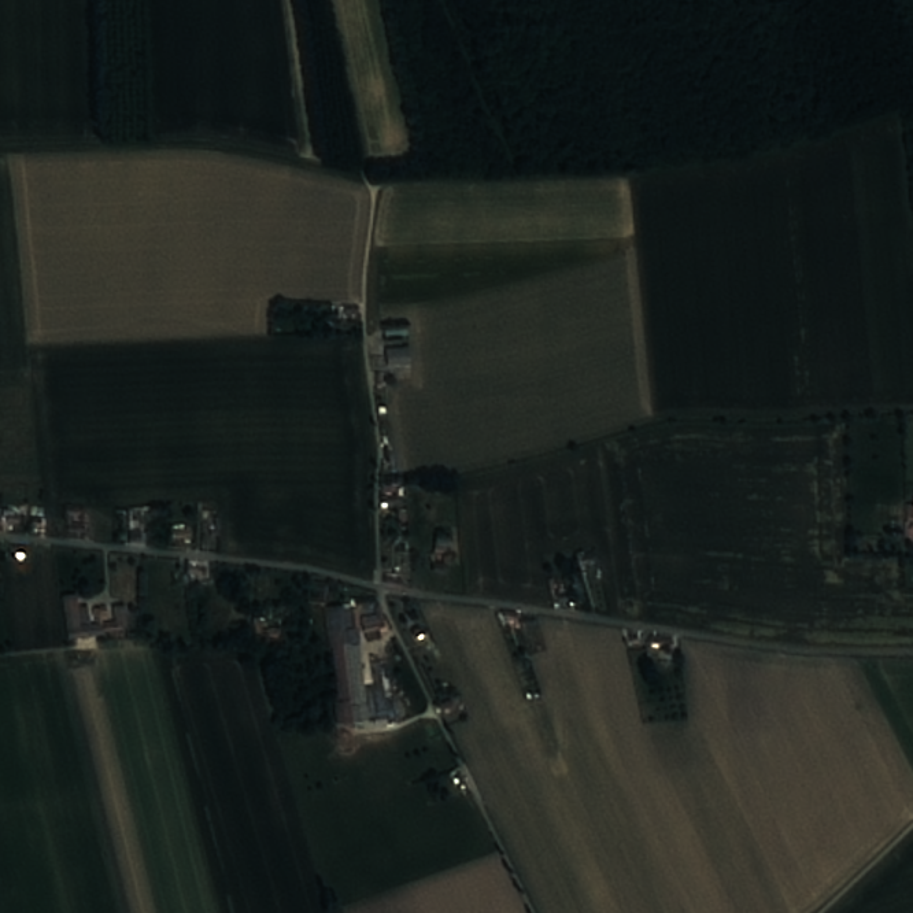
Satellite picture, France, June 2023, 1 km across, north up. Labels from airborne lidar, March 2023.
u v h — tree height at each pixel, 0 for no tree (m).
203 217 0
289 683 14
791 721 0
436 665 0
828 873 0
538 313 0
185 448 0
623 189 0
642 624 0
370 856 0
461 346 0
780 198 0
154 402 0
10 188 0
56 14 0
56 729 0
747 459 0
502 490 0
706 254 0
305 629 14
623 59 23
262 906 0
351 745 0
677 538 0
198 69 0
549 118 25
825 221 0
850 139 0
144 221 0
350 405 0
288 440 0
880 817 0
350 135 31
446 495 0
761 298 0
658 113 22
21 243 0
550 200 0
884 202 0
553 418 0
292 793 0
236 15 0
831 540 0
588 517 0
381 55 0
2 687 0
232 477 0
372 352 0
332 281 0
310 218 0
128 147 0
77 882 0
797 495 0
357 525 0
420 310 0
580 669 0
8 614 0
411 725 0
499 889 0
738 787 0
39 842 0
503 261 0
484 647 0
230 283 0
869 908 0
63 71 0
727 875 0
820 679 0
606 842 0
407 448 0
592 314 0
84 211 0
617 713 0
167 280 0
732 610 0
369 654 0
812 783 0
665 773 0
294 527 0
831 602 0
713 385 0
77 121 0
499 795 0
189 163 0
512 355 0
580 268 0
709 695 0
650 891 0
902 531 7
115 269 0
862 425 0
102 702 0
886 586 0
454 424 0
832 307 0
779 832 0
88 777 0
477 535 0
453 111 21
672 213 0
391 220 0
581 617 0
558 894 0
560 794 0
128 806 0
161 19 0
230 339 0
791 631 0
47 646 0
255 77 0
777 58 24
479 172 15
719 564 0
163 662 0
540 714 0
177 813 0
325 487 0
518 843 0
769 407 0
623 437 0
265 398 0
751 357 0
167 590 0
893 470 0
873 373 0
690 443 0
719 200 0
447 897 0
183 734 0
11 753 0
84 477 0
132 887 0
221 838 0
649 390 0
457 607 0
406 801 0
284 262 0
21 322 0
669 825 0
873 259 0
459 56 29
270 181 0
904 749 0
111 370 0
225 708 0
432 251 0
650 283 0
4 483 0
